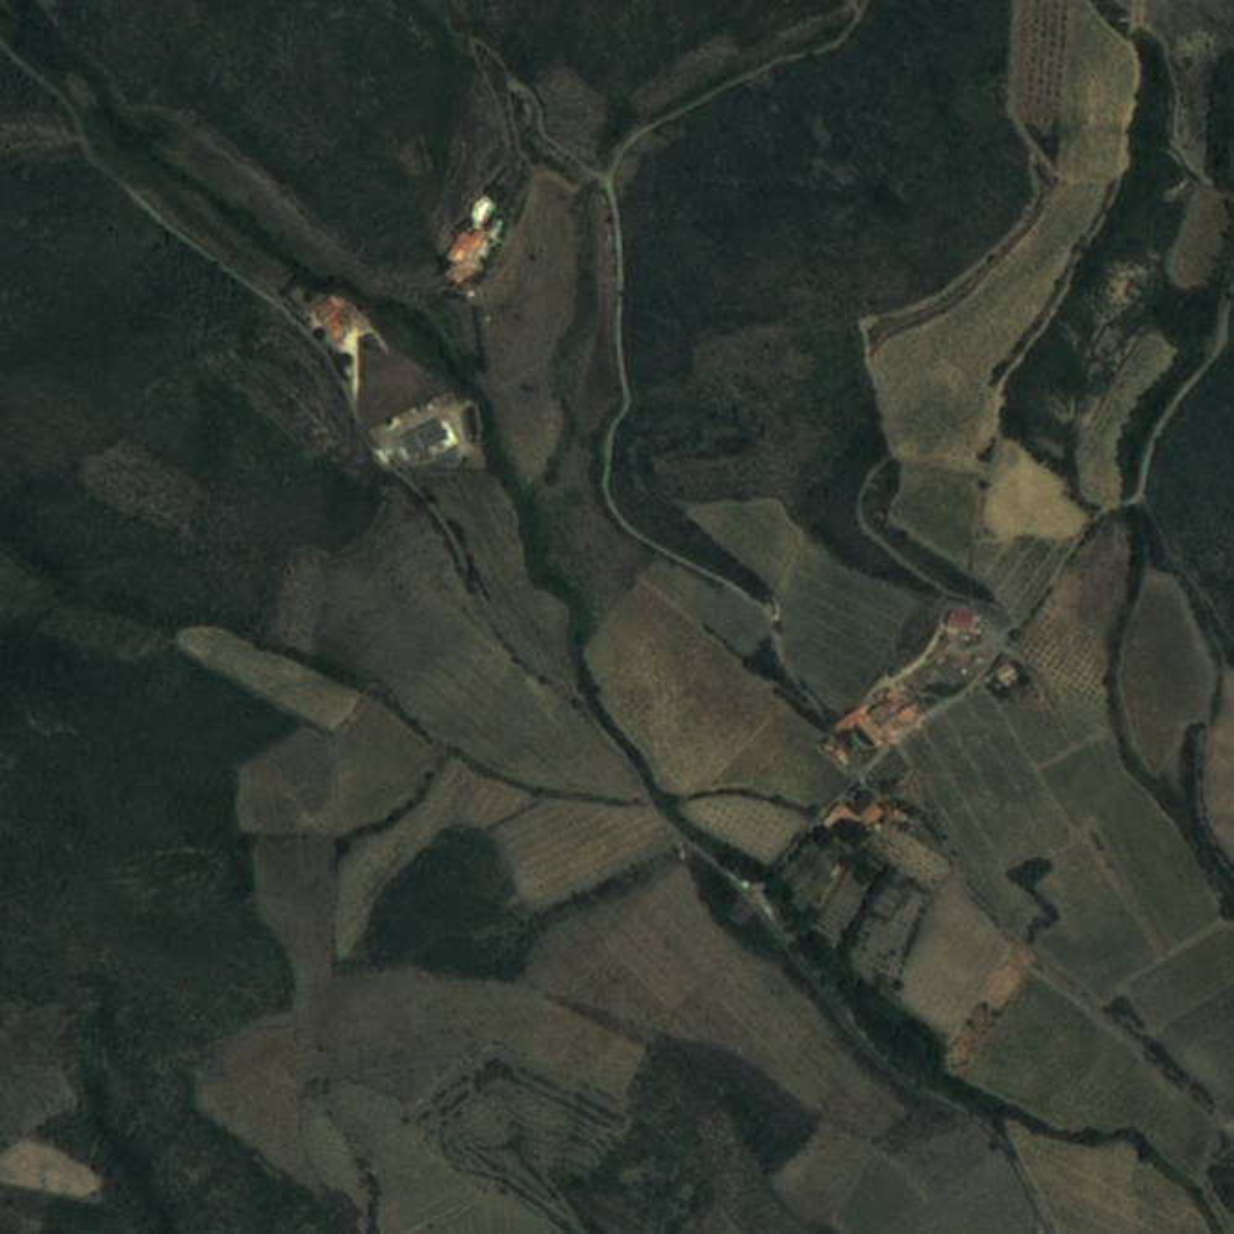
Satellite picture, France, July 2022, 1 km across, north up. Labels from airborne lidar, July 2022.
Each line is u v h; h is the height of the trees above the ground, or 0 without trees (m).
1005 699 6
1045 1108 0
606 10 0
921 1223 0
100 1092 6
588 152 0
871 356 0
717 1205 0
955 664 0
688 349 0
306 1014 0
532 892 0
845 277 0
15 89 7
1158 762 0
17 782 0
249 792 0
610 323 0
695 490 0
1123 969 0
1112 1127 0
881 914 0
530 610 0
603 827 0
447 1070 0
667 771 0
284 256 7
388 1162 0
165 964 0
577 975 0
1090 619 0
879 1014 7
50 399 0
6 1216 0
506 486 7
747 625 0
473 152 0
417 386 0
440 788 0
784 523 0
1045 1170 0
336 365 7
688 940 0
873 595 0
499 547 0
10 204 0
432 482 0
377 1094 0
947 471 0
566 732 0
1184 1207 0
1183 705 0
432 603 0
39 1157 0
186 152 0
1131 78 0
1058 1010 0
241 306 6
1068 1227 0
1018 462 0
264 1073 0
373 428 0
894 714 0
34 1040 0
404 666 0
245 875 7
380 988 0
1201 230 0
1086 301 0
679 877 0
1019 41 0
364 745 0
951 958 0
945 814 0
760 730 0
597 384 0
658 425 0
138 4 0
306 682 0
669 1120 0
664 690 0
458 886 0
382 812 0
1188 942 0
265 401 0
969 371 0
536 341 0
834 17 0
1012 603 0
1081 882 0
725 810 0
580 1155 0
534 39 0
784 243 0
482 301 0
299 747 0
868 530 0
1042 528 0
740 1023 0
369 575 0
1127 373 0
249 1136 0
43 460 0
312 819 0
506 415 0
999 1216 0
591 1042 0
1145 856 0
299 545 0
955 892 0
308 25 0
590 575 0
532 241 0
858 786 7
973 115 0
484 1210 0
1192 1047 0
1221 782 0
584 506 0
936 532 0
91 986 6
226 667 0
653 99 0
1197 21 0
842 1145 0
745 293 0
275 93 0
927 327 0
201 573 0
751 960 0
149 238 0
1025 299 0
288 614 0
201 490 0
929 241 0
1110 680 8
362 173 0
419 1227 0
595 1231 6
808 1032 0
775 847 0
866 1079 0
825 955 16
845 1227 0
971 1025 7
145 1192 5
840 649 0
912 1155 0
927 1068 5
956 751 0
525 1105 0
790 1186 0
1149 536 6
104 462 0
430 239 0
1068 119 0
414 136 0
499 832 0
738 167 0
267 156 0
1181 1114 0
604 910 0
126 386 0
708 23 0
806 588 0
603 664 0
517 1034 0
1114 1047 0
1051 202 0
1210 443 0
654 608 0
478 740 0
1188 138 0
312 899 0
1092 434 0
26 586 0
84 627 0
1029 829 0
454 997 0
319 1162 0
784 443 0
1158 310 9
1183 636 0
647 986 0
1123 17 0
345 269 0
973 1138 0
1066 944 0
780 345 0
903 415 0
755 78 0
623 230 0
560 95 0
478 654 0
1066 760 0
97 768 0
